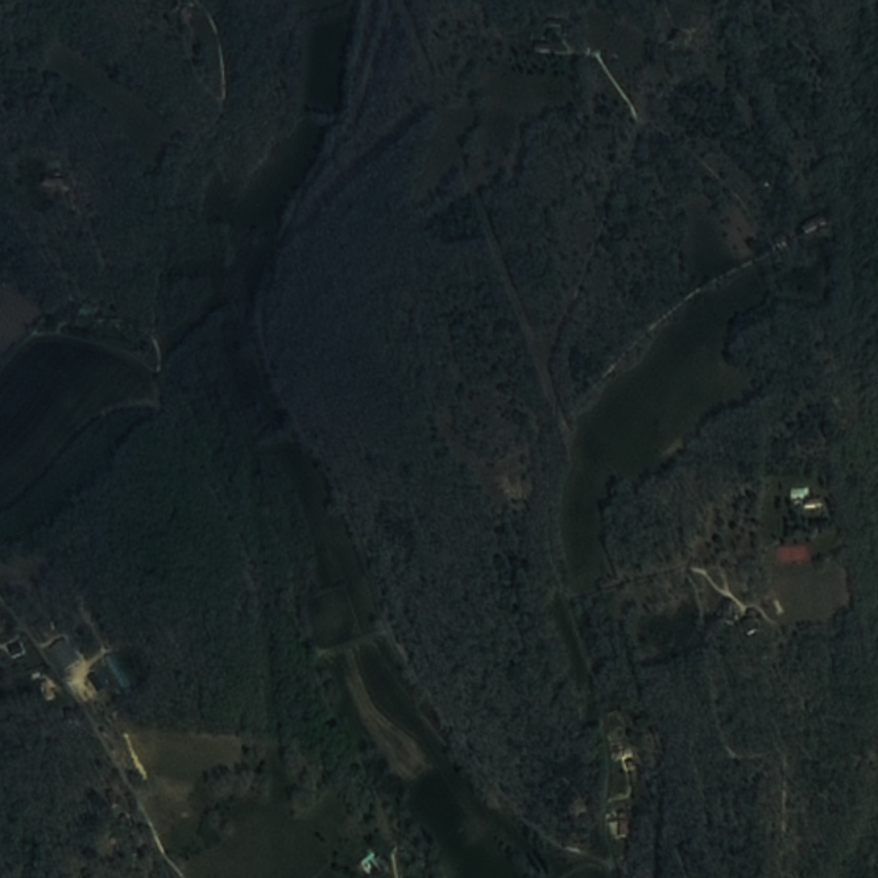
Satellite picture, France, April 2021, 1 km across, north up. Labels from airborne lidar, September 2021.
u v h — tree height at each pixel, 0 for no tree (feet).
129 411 18
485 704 41
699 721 60
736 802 40
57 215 65
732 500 47
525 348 49
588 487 0
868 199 61
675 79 43
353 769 23
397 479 62
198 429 62
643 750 40
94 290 61
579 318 46
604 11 31
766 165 21
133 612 72
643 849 53
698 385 0
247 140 60
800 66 35
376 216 40
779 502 30
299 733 68
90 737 50
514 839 0
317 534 0
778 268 43
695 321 0
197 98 38
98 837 56
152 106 52
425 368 32
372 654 0
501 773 49
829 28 55
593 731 52
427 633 46
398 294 37
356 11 46
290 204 46
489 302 30
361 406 48
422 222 43
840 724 64
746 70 57
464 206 20
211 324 68
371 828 55
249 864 0
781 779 34
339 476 47
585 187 48
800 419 28
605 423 0
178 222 75
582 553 0
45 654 0
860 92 24
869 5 75
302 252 36
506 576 42
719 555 39
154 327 30
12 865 63
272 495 65
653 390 0
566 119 37
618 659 54
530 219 58
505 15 51
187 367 69
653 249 43
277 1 58
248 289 0
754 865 52
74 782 52
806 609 0
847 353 47
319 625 0
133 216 62
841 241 43
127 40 52
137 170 62
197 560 75
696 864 50
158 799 0
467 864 0
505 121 0
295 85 29
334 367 48
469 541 52
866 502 62
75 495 27
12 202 75
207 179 73
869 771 43
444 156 0
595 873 0
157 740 0
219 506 53
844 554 47
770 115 69
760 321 34
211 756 0
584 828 42
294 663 88
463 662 43
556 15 46
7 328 0
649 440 0
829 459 33
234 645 76
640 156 36
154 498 69
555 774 30
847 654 69
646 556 41
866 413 46
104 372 0
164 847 0
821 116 35
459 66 46
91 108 71
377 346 49
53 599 69
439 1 35
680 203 50
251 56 63
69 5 60
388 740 0
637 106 24
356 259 51
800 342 41
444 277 57
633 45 0
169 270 53
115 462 73
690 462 43
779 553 0
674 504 28
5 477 0
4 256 53
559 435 63
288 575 67
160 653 54
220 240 80
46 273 47
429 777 0
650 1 35
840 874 65
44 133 56
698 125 22
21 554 72
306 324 44
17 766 79
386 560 56
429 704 61
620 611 0
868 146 62
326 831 0
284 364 47
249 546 61
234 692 63
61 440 0
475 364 37
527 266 51
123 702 43
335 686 49
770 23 39
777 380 48
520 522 30
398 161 57
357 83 68
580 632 19
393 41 34
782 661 21
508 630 54
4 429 0
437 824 0
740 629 49
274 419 0
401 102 44
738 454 58
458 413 41
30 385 0
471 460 0
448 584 49
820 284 0
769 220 37
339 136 65
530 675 46
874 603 67
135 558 76
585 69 62
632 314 42
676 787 43
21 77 37
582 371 32
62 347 0
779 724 51
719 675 63
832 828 55
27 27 63
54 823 55
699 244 0
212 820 46
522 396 34
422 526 59
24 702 52
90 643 51
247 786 52
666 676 64
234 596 73
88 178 55
